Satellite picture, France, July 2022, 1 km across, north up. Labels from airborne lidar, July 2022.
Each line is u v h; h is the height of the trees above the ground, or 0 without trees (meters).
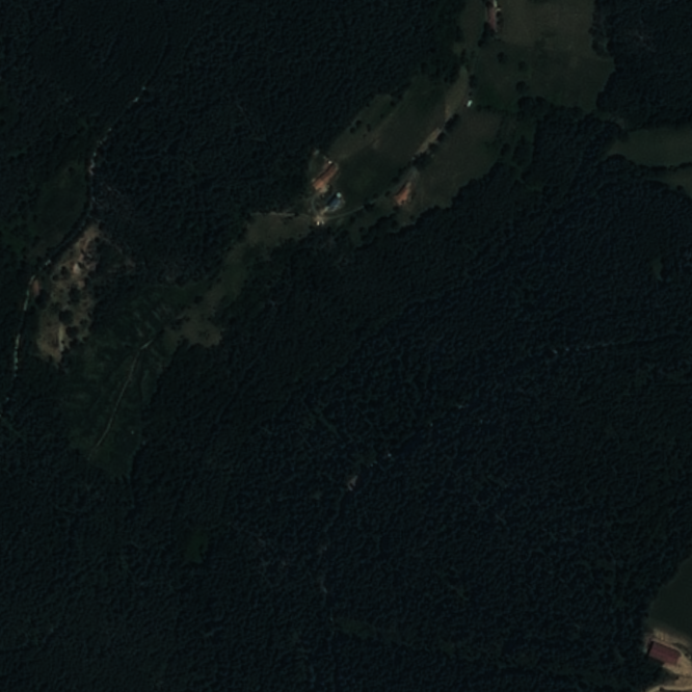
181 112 25
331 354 25
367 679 25
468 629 27
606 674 28
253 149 22
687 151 0
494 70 0
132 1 24
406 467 30
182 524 24
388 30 24
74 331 15
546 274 29
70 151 20
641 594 27
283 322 27
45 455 26
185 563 15
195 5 22
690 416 14
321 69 26
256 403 20
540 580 25
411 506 27
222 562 23
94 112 17
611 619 29
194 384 21
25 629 15
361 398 7
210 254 18
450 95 0
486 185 24
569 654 27
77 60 21
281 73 27
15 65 21
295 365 25
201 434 27
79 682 23
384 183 0
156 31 22
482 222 28
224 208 33
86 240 0
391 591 22
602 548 20
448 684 24
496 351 17
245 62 15
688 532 11
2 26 24
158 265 22
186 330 0
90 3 24
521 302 7
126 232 21
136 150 16
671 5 23
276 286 14
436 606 7
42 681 22
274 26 27
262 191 22
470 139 0
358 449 29
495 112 6
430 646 15
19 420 22
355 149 0
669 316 27
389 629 25
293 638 14
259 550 21
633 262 29
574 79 0
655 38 15
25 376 17
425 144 0
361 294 20
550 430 18
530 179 20
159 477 25
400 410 18
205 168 31
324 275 20
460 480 29
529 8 0
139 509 29
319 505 22
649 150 0
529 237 27
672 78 17
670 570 13
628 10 24
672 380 7
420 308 31
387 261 23
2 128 14
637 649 22
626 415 13
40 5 22
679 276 21
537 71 0
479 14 0
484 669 18
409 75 16
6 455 21
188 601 25
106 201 27
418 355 21
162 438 13
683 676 0
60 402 17
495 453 27
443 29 17
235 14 23
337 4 27
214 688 28
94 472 17
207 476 28
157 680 8
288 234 0
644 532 10
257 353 23
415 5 27
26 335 14
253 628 25
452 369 18
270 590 18
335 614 19
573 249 32
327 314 24
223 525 19
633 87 13
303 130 25
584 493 15
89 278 10
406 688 27
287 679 23
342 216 0
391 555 23
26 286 21
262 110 25
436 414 22
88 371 0
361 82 23
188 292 0
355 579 20
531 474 26
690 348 17
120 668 19
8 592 19
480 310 29
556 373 13
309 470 17
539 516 26
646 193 26
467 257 26
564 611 20
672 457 8
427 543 19
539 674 21
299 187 12
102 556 35
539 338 20
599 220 27
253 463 20
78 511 18
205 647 26
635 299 22
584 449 15
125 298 20
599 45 22
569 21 0
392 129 0
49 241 0
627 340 18
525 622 24
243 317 13
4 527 21
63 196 0
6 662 24
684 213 27
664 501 8
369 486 23
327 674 27
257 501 23
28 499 19
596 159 26
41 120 12
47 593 21
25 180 15
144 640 23
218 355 21
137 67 17
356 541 20
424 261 28
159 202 24
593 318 21
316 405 15
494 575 19
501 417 25
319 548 23
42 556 25
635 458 14
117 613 38
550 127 24
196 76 21
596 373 14
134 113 23
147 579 37
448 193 0
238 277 0
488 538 25
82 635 21
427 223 20
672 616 0
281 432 24
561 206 24
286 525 24
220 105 22
